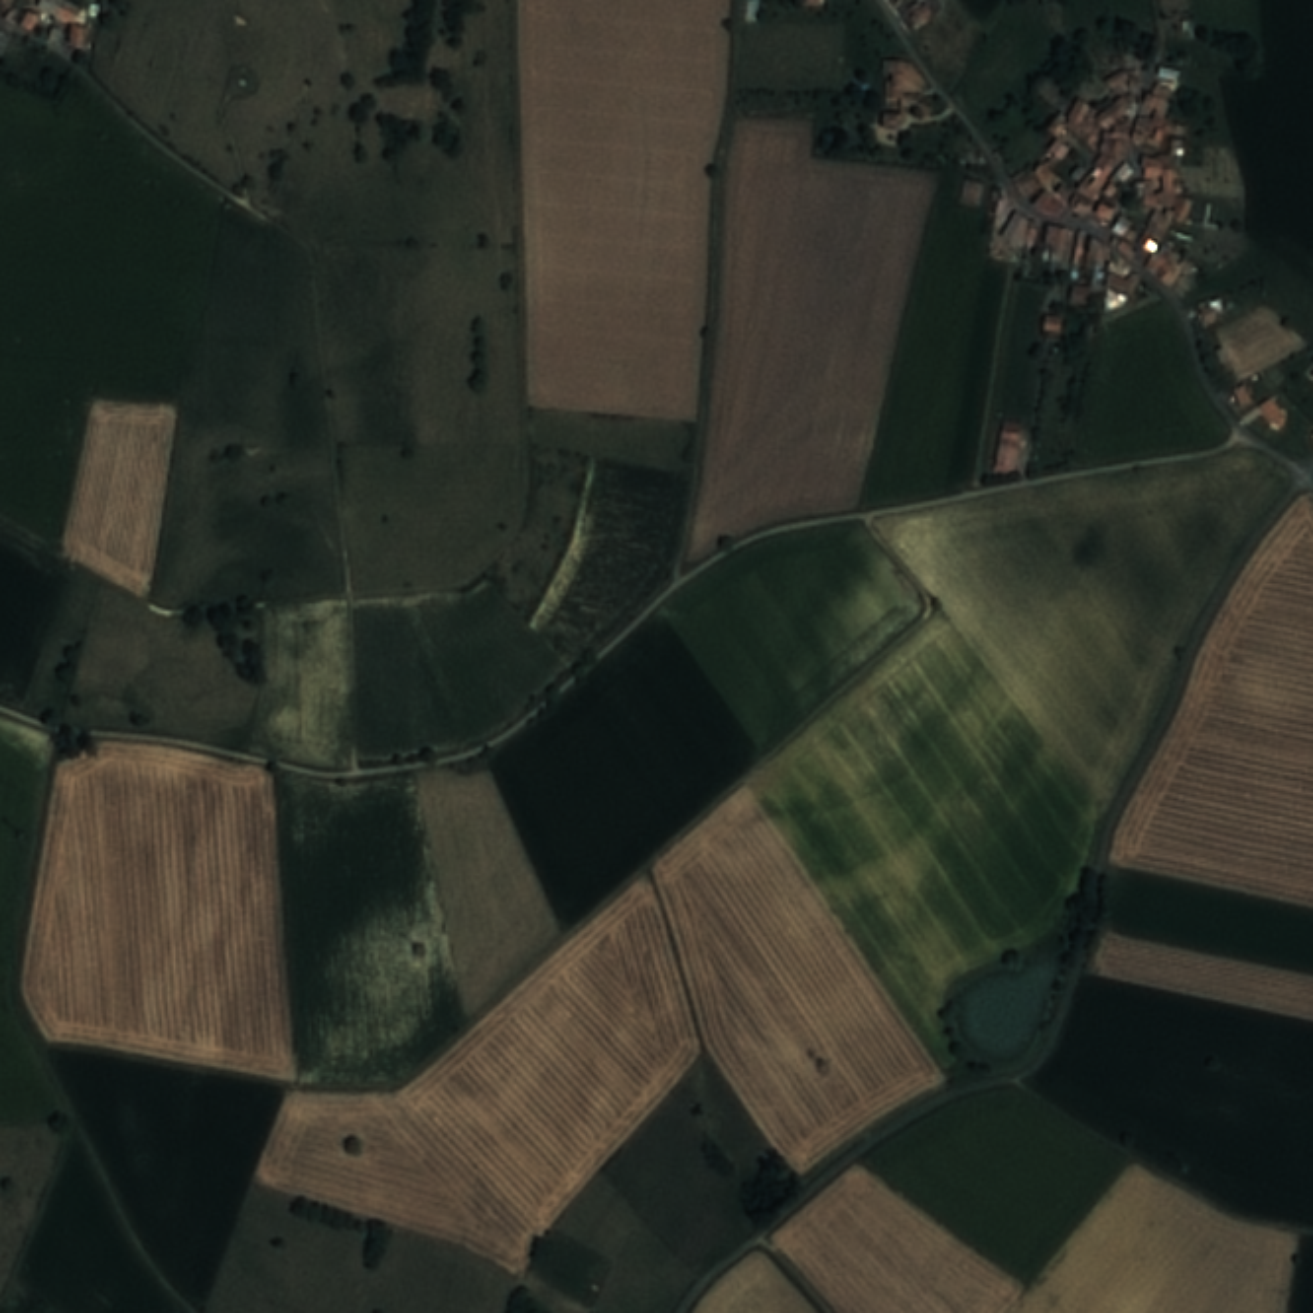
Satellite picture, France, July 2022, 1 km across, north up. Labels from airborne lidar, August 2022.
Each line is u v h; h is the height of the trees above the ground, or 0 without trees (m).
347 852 0
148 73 0
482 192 0
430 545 0
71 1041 0
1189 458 0
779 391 0
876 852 0
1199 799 0
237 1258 0
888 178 0
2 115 0
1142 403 0
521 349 0
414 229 0
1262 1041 0
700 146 0
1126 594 0
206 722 0
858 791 0
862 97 12
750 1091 0
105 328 0
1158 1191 0
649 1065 0
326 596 0
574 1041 0
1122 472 0
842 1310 0
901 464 0
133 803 0
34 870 0
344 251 0
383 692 0
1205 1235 0
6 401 0
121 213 0
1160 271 0
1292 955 0
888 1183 0
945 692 0
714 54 0
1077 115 0
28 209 0
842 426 0
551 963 0
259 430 0
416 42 15
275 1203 0
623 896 0
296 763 0
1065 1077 0
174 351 0
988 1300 0
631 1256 0
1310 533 0
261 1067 0
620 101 0
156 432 0
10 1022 0
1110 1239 0
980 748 0
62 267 0
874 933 0
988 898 0
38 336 0
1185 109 10
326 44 0
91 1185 0
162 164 0
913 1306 0
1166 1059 0
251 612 11
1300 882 0
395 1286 0
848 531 0
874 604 0
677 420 0
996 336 0
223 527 0
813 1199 0
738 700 0
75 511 0
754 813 0
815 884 0
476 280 0
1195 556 0
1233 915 0
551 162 0
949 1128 0
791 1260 0
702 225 0
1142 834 0
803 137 0
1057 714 0
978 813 0
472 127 0
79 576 0
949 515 0
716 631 0
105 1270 0
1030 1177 0
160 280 0
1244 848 0
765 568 0
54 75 10
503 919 0
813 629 0
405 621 0
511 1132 0
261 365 0
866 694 0
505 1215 0
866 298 0
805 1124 0
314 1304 0
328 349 0
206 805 0
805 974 0
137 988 0
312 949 0
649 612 0
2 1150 0
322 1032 0
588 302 0
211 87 0
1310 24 0
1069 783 0
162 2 0
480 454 0
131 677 0
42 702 0
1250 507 0
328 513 0
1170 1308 0
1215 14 0
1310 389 0
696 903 0
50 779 0
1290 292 0
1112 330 0
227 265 0
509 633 0
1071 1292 0
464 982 0
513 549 0
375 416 0
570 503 0
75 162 0
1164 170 0
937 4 0
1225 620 0
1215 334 0
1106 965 0
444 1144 0
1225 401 0
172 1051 0
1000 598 0
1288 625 0
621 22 0
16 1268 0
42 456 0
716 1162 11
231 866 0
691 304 0
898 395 0
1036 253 9
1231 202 0
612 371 0
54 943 0
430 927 0
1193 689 0
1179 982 0
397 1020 0
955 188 0
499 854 0
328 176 0
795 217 0
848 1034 0
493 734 0
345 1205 0
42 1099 0
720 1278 0
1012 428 0
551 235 0
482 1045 0
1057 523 0
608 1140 0
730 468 0
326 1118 0
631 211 0
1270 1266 0
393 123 14
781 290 0
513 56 0
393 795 0
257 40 0
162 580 0
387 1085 0
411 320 0
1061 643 0
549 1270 0
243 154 0
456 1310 0
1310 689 0
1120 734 0
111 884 0
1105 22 11
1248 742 0
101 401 0
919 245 0
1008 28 0
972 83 0
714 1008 0
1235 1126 0
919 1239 0
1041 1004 0
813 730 0
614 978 0
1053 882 0
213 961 0
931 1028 0
